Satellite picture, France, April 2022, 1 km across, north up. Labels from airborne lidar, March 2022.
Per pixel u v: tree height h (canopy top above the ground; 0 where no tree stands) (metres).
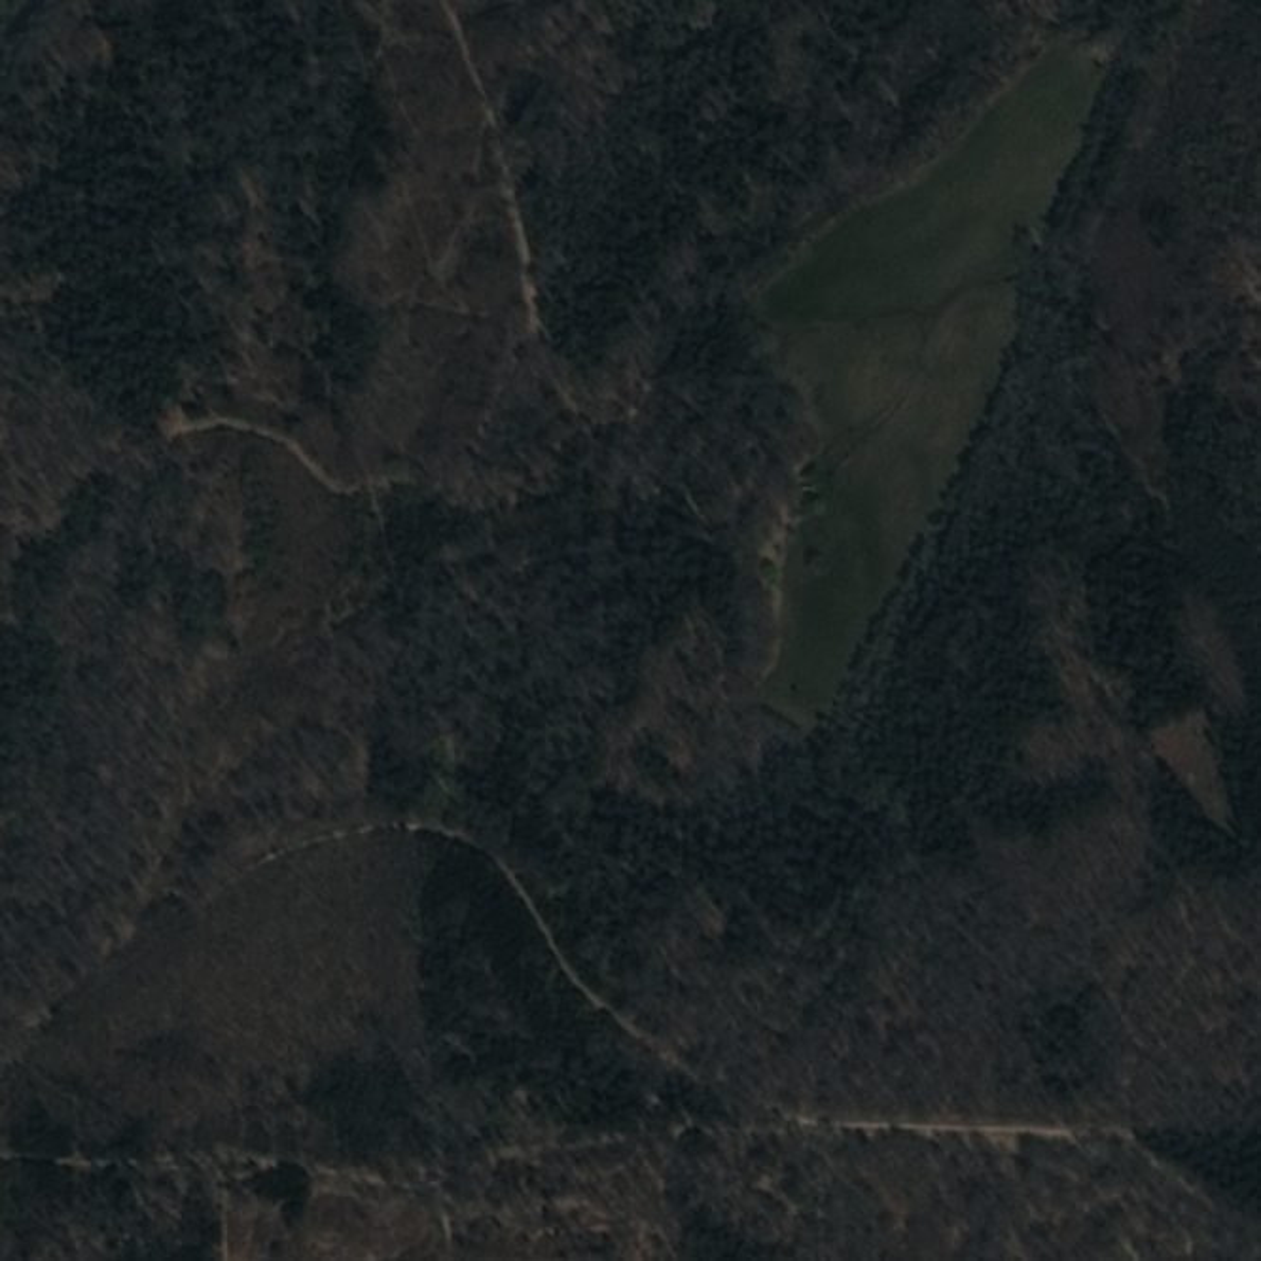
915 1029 11
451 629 29
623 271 16
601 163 24
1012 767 30
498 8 7
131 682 25
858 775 25
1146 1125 23
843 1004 27
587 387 24
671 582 31
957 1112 30
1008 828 26
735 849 11
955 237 0
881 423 0
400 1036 18
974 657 28
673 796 37
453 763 27
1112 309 18
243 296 27
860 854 29
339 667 30
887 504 0
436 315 7
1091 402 18
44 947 33
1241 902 32
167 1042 11
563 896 27
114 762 24
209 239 26
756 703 29
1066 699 19
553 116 16
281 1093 19
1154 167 8
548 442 8
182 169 24
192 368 21
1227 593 16
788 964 25
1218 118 8
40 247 23
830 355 0
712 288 24
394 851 17
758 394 30
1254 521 11
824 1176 26
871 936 29
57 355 15
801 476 27
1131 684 23
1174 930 30
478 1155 29
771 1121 24
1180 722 25
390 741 16
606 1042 27
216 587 21
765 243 10
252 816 12
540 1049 11
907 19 9
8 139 16
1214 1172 23
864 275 0
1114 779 29
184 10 13
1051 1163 24
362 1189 0
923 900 32
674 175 22
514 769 14
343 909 15
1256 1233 27
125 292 10
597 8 24
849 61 10
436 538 11
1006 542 19
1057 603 24
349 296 11
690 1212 22
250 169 23
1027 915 22
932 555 20
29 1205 10
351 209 22
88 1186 8
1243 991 34
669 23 20
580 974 23
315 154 28
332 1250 0
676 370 19
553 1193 9
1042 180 0
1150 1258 27
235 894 15
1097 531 26
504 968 13
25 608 24
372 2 17
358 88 29
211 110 26
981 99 31
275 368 9
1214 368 13
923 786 21
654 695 20
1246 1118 28
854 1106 31
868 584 0
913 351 0
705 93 20
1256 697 21
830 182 26
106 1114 14
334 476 11
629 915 40
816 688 0
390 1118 22
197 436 8
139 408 24
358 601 7
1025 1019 24
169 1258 10
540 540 11
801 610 0
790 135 33
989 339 0
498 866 18
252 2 40
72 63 24
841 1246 27
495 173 7
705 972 31
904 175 24
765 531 31
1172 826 29
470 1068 11
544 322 11
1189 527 18
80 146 13
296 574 16
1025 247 17
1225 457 29
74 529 11
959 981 31
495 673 25
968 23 29
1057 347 24
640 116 27
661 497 33
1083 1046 24
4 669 37
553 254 20
